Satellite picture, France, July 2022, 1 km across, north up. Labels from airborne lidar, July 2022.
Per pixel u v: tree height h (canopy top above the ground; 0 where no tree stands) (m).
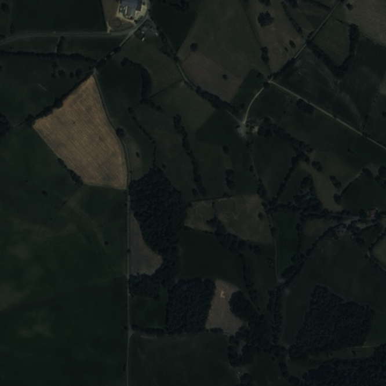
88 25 0
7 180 0
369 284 0
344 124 0
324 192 0
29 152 0
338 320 23
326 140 0
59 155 0
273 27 0
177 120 13
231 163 0
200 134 0
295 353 22
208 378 0
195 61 0
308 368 0
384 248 0
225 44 0
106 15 0
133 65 12
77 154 0
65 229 0
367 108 0
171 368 0
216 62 0
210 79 0
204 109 0
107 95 0
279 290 17
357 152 0
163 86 0
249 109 0
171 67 0
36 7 0
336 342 20
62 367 0
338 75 16
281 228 0
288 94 0
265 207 22
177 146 0
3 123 18
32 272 0
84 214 0
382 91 0
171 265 25
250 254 0
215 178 0
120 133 20
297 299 0
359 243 13
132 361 0
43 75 0
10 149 0
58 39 0
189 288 29
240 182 0
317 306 19
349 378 18
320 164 6
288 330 0
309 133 0
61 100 17
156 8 0
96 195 0
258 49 0
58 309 0
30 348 0
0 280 0
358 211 0
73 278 0
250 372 0
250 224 0
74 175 17
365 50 0
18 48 0
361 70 0
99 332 0
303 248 0
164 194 27
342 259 0
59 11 0
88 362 0
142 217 22
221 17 0
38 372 0
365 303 0
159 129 0
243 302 26
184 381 0
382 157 0
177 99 0
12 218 0
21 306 0
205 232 9
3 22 0
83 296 0
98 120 0
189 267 0
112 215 0
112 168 0
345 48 0
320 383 29
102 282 0
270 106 0
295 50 0
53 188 0
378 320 0
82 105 0
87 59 13
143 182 20
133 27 0
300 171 0
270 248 0
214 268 0
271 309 21
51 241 0
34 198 0
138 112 0
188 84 14
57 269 0
